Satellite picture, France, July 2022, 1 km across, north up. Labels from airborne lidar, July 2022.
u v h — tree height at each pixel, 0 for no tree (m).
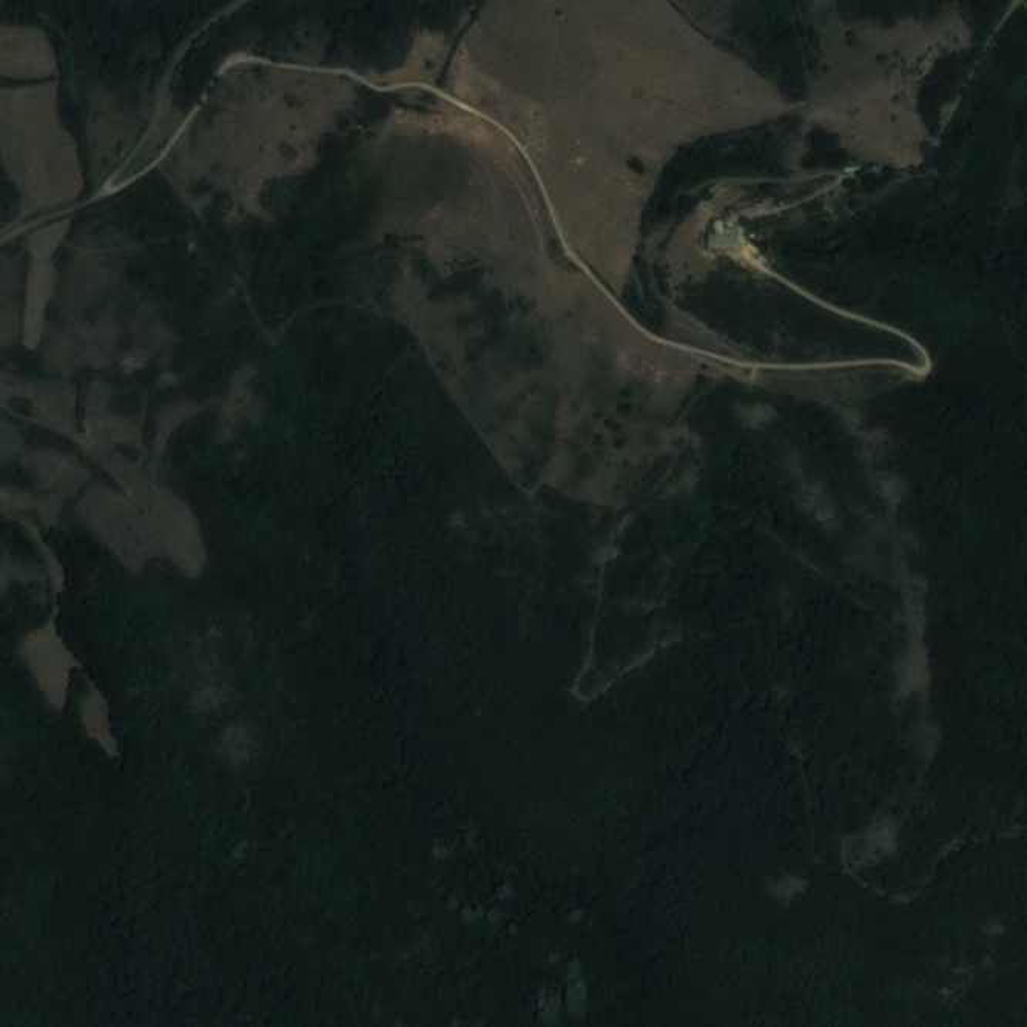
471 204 0
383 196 0
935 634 8
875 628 8
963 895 19
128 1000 15
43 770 11
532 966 18
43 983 18
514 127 0
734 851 13
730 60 0
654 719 15
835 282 6
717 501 9
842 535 0
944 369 9
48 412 0
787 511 8
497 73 0
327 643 10
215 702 0
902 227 12
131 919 10
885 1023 12
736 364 0
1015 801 14
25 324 0
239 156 0
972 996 14
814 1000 11
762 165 6
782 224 0
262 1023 13
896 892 12
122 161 0
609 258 0
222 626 6
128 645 13
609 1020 19
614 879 15
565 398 0
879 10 7
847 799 9
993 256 5
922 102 10
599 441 7
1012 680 14
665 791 17
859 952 12
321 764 9
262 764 7
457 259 0
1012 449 13
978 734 9
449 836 16
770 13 6
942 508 8
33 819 20
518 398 0
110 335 0
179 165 0
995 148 10
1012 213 10
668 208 19
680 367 0
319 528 14
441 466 6
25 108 0
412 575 11
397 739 13
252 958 9
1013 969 12
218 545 8
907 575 0
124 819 12
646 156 0
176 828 12
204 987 16
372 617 13
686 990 15
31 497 0
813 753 11
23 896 13
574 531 0
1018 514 11
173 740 7
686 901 11
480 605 8
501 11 0
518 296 0
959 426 15
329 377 8
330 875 7
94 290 0
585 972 18
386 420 13
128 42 11
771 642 8
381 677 19
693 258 0
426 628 14
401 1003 9
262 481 10
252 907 8
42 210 0
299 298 0
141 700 9
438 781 15
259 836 10
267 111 0
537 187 0
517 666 10
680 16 0
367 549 12
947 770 9
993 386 14
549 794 11
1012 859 13
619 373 0
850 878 11
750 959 13
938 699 9
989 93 10
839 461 10
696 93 0
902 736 0
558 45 0
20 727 8
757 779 16
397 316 0
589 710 11
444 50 0
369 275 0
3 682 8
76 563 9
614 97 0
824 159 12
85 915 21
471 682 11
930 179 5
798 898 10
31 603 6
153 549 0
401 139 0
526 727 10
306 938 6
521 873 12
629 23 0
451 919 15
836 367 0
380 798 16
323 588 12
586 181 0
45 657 0
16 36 0
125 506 0
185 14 9
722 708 13
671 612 9
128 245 0
